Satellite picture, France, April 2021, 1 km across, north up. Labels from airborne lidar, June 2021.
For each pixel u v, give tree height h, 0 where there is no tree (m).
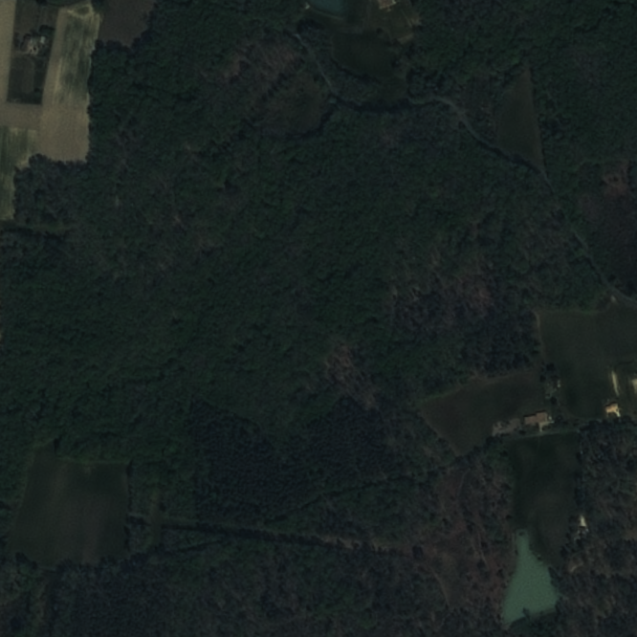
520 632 9
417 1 17
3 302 10
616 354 0
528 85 0
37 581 20
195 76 21
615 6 22
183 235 20
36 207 8
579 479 14
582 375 0
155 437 24
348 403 11
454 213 21
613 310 0
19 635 23
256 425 19
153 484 21
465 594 0
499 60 24
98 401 25
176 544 17
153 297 19
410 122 16
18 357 23
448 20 19
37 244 13
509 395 0
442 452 17
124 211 14
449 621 13
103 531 0
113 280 19
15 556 0
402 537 15
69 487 0
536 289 13
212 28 21
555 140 20
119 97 16
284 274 28
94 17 0
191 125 20
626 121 22
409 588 17
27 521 0
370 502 18
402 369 23
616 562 13
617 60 20
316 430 22
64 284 22
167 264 18
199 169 17
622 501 23
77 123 0
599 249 11
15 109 0
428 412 0
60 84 0
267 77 9
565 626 20
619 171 12
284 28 15
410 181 18
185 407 20
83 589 22
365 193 25
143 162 15
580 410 0
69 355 21
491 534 19
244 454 22
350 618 17
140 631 19
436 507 15
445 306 18
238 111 20
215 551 19
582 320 0
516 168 16
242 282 23
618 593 13
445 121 18
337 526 19
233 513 24
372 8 0
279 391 17
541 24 19
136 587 25
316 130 6
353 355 16
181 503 13
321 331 19
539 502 0
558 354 0
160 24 20
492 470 19
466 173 14
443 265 14
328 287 20
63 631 21
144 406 22
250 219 19
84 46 0
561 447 0
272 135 18
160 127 16
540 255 22
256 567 13
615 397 0
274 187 27
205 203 19
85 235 17
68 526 0
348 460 22
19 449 20
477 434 0
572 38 17
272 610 18
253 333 24
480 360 18
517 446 0
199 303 27
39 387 25
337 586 19
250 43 16
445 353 19
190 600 19
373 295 24
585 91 19
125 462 14
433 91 15
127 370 24
